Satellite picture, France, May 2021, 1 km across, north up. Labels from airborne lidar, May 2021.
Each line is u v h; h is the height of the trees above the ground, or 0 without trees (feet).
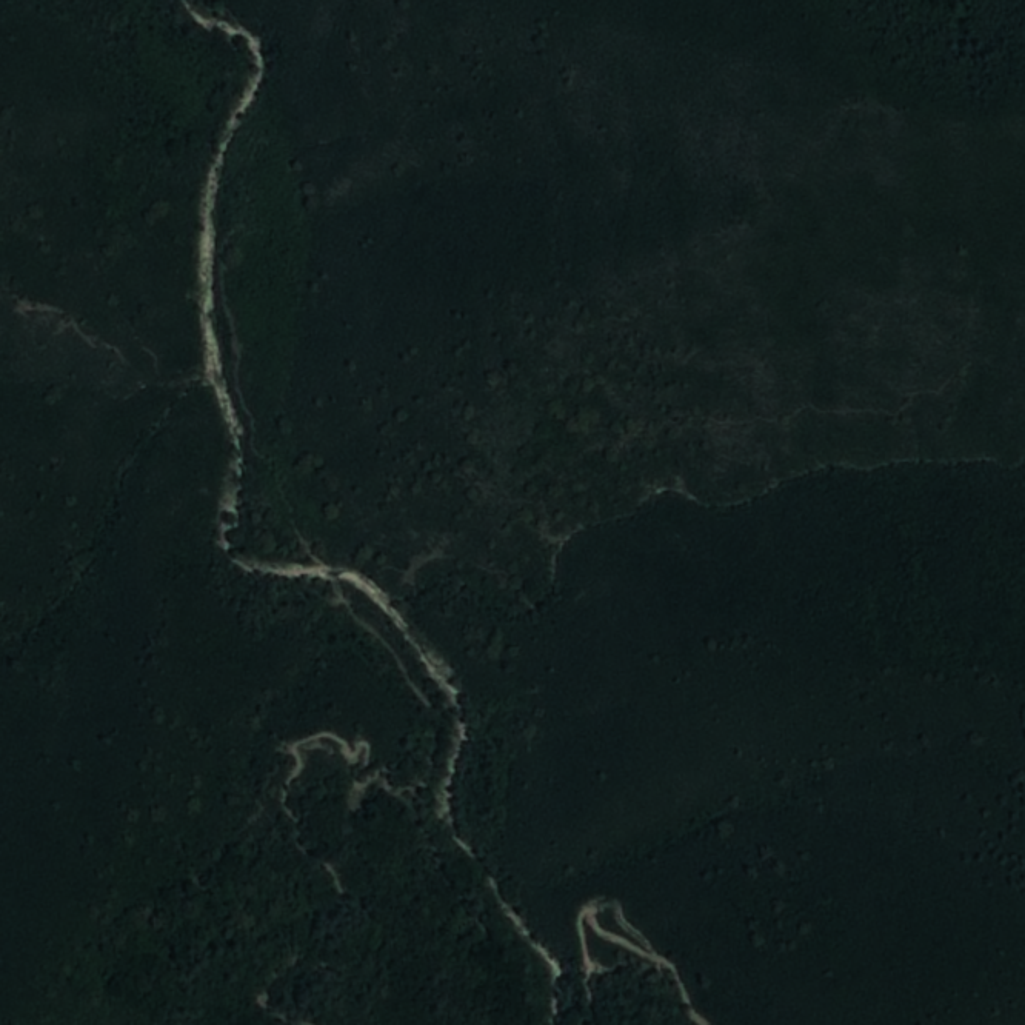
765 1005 23
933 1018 36
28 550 32
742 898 20
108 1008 35
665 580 17
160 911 58
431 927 30
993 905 17
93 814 18
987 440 18
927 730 18
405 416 40
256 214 21
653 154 18
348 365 38
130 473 23
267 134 17
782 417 31
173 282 17
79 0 36
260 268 17
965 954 18
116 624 17
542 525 37
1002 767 18
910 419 36
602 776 37
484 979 61
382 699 18
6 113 40
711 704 25
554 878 19
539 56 34
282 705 18
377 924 55
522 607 53
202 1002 24
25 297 30
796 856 18
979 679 33
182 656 20
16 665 52
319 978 79
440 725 46
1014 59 33
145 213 44
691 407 29
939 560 20
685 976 17
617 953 52
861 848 19
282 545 29
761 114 24
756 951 19
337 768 23
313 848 65
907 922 17
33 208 44
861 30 24
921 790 18
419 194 19
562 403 22
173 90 29
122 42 36
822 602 20
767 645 31
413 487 38
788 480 20
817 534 17
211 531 31
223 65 24
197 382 32
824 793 17
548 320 28
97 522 38
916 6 41
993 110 18
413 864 49
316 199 41
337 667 23
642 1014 44
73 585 39
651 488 18
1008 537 21
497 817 62
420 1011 25
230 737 22
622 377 18
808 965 18
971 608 18
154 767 38
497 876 38
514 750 25
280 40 32
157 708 36
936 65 30
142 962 48
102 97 20
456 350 38
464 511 28
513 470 22
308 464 45
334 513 43
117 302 22
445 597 28
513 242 19
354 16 18
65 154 28
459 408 32
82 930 19
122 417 19
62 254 26
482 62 23
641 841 20
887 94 20
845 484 19
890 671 28
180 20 38
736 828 18
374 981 27
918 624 26
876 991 21
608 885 17
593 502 47
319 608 31
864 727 33
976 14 28
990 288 21
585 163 17
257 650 17
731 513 19
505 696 23
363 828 82
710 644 48
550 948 41
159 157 34
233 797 53
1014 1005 25
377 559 44
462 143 37
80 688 18
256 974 47
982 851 21
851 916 20
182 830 18
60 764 19
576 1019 61
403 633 26
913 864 18
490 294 29
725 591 20
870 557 19
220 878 69
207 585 22
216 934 17
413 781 58
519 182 20
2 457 19
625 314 26
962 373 32
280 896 35
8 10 25
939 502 17
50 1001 18
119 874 20
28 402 18
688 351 27
